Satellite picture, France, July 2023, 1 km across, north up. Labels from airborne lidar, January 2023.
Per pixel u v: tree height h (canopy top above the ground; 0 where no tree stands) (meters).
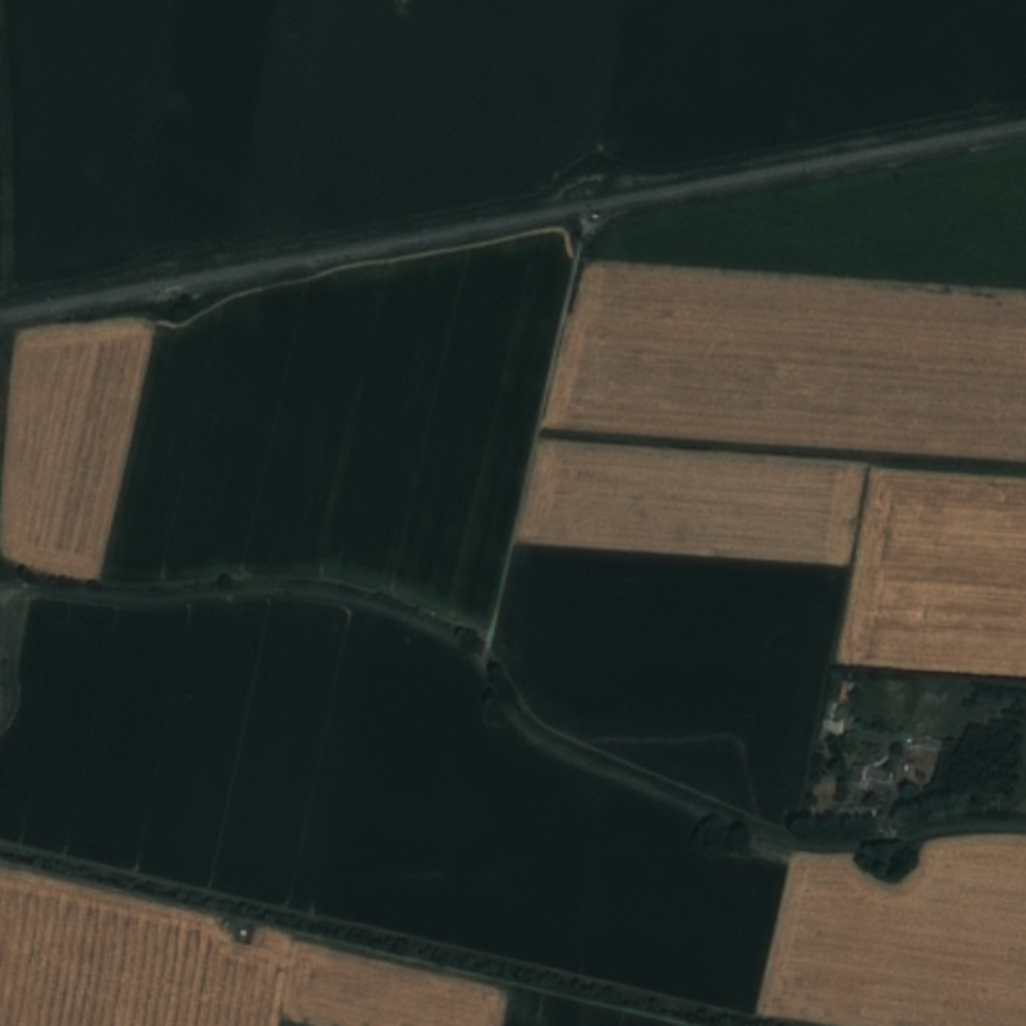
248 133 0
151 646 0
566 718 0
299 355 0
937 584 0
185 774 0
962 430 0
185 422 0
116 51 0
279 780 0
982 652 0
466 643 13
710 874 0
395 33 0
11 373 0
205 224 0
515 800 0
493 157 0
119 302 0
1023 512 0
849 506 0
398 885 0
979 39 0
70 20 0
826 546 0
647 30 0
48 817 0
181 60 0
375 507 0
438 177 0
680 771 0
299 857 0
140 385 0
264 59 0
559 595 0
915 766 0
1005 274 0
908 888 0
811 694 0
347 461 0
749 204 0
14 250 0
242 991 0
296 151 0
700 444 0
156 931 0
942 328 0
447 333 0
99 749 0
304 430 0
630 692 0
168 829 0
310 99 0
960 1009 0
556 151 0
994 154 0
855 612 0
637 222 0
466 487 0
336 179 0
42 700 0
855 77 0
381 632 0
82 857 0
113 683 0
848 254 0
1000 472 0
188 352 0
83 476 0
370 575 0
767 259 0
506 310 0
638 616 0
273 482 0
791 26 0
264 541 0
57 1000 0
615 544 0
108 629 0
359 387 0
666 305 0
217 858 0
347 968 0
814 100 0
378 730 0
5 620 0
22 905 0
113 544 0
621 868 0
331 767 0
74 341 0
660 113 0
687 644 0
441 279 0
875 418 0
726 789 0
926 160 0
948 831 0
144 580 0
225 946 0
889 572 0
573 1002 0
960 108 0
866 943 0
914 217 0
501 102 0
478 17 0
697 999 0
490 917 0
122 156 0
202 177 0
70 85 0
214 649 0
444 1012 0
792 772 0
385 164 0
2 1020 0
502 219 0
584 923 0
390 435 0
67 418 0
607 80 0
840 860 0
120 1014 0
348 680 0
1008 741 11
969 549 0
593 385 0
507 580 0
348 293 0
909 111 0
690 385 0
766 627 0
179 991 0
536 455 0
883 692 0
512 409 0
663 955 0
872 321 0
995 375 0
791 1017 0
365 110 0
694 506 0
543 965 0
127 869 0
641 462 0
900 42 0
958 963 0
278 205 0
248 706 0
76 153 0
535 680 0
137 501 0
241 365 0
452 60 0
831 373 0
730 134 0
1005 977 0
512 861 0
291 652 0
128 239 0
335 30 0
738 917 0
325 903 0
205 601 0
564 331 0
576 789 0
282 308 0
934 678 9
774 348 0
